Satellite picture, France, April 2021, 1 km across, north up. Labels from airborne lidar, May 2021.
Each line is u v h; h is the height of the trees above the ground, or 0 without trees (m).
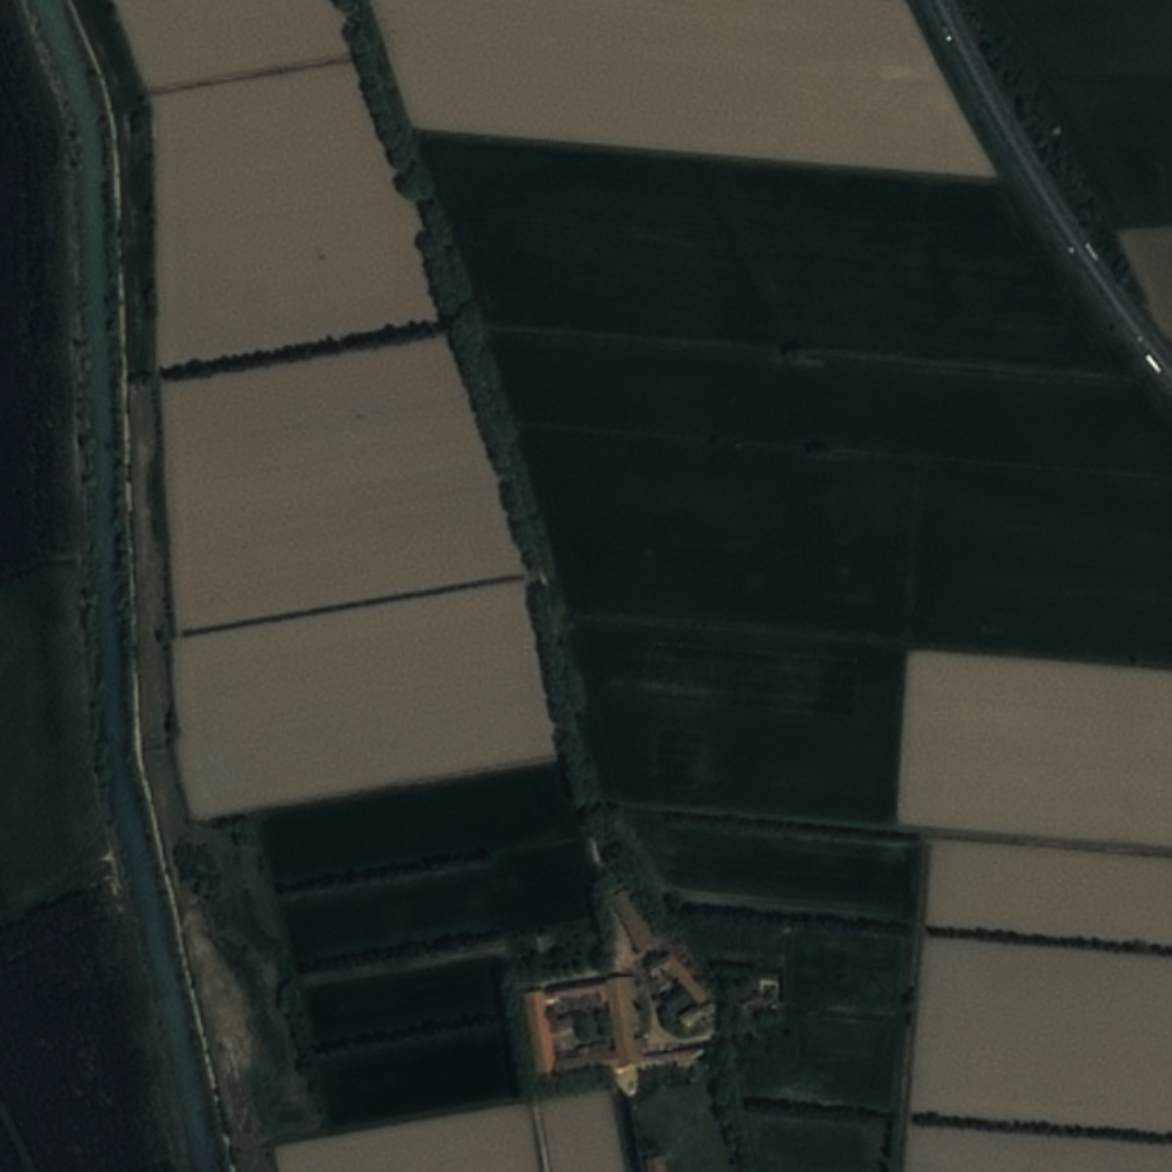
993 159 0
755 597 0
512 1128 0
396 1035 9
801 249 0
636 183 0
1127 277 15
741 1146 14
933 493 0
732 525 0
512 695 0
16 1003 12
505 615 0
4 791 10
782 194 0
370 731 0
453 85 0
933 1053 0
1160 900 0
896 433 0
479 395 22
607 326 0
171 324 0
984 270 0
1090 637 0
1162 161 0
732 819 8
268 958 0
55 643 12
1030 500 0
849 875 0
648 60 0
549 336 0
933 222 0
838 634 0
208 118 0
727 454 0
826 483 0
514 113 0
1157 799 0
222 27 0
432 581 0
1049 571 0
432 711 0
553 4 0
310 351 11
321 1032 0
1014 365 0
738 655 0
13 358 15
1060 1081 0
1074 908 0
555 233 0
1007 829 0
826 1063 0
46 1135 15
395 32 0
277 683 0
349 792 0
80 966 11
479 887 0
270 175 0
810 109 0
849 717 0
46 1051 13
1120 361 0
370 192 0
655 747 0
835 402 0
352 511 0
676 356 0
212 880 7
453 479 0
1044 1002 0
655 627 0
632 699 0
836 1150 0
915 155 0
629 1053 0
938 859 0
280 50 0
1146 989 0
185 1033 0
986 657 0
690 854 0
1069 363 0
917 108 0
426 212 17
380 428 0
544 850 0
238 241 0
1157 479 0
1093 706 0
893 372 0
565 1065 0
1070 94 0
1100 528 0
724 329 0
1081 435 0
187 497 0
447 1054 0
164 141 0
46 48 0
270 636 0
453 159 0
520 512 22
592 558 0
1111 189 0
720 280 0
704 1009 0
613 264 0
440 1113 0
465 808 0
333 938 0
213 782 0
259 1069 0
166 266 0
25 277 11
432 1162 0
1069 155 9
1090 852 0
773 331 0
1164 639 0
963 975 0
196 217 0
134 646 8
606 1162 0
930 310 0
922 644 0
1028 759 0
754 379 0
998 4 0
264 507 0
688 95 0
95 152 0
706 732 0
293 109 0
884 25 0
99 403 0
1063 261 0
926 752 0
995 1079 0
